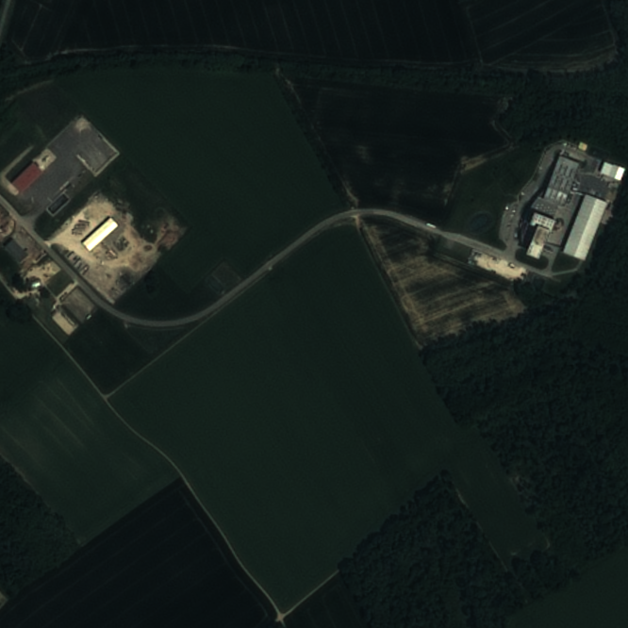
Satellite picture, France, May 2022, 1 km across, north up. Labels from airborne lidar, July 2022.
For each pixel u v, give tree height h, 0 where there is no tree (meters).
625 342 5
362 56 0
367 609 20
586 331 7
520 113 16
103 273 0
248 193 0
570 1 0
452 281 0
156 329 0
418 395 0
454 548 24
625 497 21
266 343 0
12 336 0
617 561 0
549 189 0
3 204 0
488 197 0
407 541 18
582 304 12
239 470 0
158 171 0
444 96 0
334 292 0
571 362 12
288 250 0
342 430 0
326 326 0
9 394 0
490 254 0
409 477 0
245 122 0
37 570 20
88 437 0
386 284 0
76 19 0
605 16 0
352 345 0
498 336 30
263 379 0
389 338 0
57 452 0
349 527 0
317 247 0
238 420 0
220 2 0
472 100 0
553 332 27
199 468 0
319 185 0
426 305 0
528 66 0
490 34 0
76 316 0
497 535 0
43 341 0
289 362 0
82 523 0
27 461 0
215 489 0
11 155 0
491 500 0
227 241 0
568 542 8
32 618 0
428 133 0
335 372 0
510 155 0
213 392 0
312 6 0
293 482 0
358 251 0
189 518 0
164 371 0
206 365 0
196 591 0
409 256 0
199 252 0
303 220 0
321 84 0
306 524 0
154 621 0
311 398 0
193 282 0
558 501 12
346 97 0
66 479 0
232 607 0
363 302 0
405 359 0
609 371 7
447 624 8
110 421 0
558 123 25
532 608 0
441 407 0
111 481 0
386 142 0
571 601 0
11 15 0
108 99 0
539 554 17
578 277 12
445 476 17
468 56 0
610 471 19
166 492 0
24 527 24
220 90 0
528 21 0
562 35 0
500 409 21
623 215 22
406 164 0
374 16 0
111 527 0
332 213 0
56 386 0
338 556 0
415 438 0
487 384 26
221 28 0
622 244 23
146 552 0
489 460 0
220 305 0
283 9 0
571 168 0
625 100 25
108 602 0
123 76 0
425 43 0
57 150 0
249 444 0
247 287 0
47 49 0
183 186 0
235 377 0
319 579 0
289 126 0
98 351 0
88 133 0
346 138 0
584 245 0
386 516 0
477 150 0
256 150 0
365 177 0
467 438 0
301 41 0
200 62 15
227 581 0
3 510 23
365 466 0
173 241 0
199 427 0
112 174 0
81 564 0
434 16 0
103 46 0
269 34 0
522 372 33
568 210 0
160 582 0
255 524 0
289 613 0
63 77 8
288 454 0
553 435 30
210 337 0
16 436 0
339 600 0
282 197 0
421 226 0
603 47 0
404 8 0
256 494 0
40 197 0
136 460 0
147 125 0
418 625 30
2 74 13
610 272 27
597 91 22
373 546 16
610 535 24
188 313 0
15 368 0
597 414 27
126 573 0
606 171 0
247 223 0
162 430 0
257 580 0
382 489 0
